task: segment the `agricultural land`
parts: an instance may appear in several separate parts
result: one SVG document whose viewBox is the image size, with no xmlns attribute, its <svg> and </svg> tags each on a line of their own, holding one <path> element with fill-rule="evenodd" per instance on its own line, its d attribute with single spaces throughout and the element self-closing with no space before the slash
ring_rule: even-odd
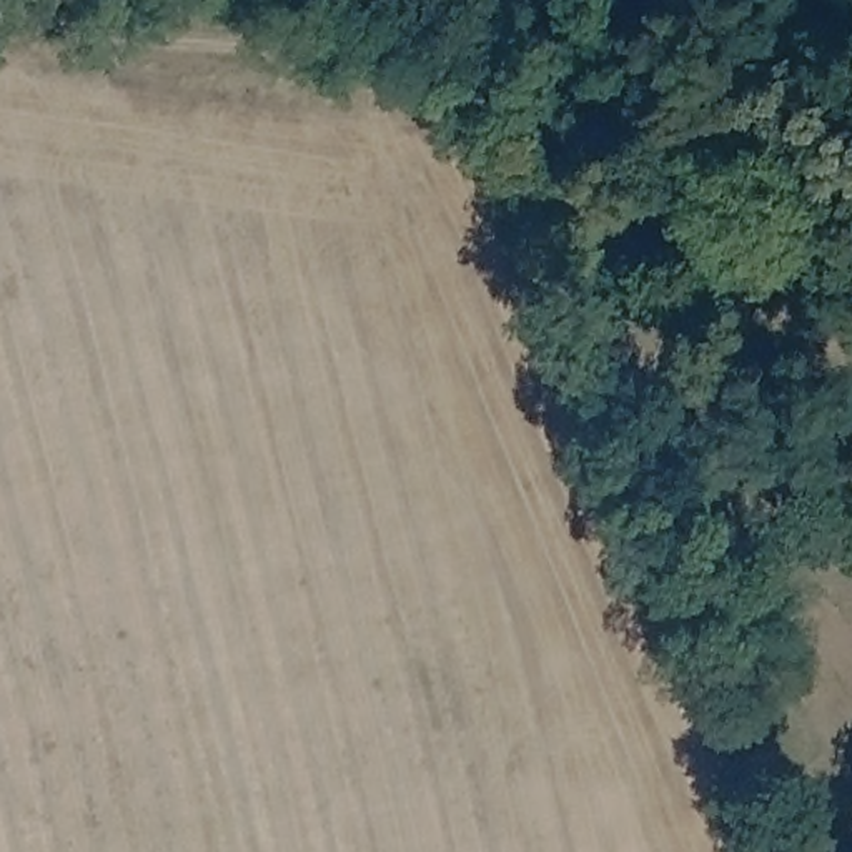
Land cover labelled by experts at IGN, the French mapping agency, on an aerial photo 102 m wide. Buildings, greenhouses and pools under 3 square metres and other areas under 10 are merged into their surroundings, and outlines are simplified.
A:
<svg viewBox="0 0 852 852">
<path fill-rule="evenodd" d="M 659 682 L 659 666 L 652 662 L 652 656 L 662 642 L 659 626 L 649 619 L 649 606 L 632 602 L 632 596 L 612 602 L 599 576 L 602 542 L 586 539 L 589 523 L 582 516 L 582 506 L 569 496 L 569 486 L 552 469 L 556 459 L 566 459 L 566 446 L 572 443 L 572 426 L 579 423 L 579 416 L 559 406 L 559 393 L 542 383 L 536 369 L 519 369 L 526 346 L 509 333 L 513 306 L 523 300 L 526 286 L 523 276 L 516 276 L 513 263 L 516 226 L 506 216 L 493 213 L 486 193 L 473 193 L 473 180 L 463 176 L 459 160 L 433 156 L 426 133 L 403 110 L 339 110 L 336 100 L 326 97 L 316 107 L 316 113 L 303 116 L 303 123 L 280 123 L 270 113 L 236 120 L 220 107 L 200 107 L 190 116 L 163 116 L 156 110 L 136 113 L 126 90 L 110 87 L 107 77 L 60 70 L 43 63 L 3 63 L 0 67 L 0 852 L 716 852 L 716 839 L 706 825 L 706 815 L 699 812 L 709 802 L 712 785 L 726 779 L 719 772 L 722 752 L 709 749 L 699 732 L 689 732 L 689 719 L 679 702 L 672 702 L 669 682 Z"/>
</svg>

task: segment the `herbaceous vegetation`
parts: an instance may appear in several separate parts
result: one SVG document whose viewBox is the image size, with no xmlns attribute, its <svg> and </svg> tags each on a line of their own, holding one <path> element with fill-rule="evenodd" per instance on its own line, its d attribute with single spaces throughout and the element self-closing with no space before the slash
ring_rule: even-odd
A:
<svg viewBox="0 0 852 852">
<path fill-rule="evenodd" d="M 243 63 L 236 57 L 240 37 L 226 27 L 203 23 L 203 17 L 193 17 L 186 33 L 166 43 L 146 43 L 143 53 L 136 53 L 126 63 L 116 63 L 107 77 L 110 87 L 126 90 L 136 113 L 156 110 L 163 116 L 190 116 L 200 107 L 220 107 L 236 120 L 270 113 L 280 123 L 303 123 L 303 116 L 316 113 L 316 107 L 326 97 L 316 87 L 300 87 L 286 77 L 266 77 L 263 70 Z"/>
<path fill-rule="evenodd" d="M 592 100 L 572 110 L 576 123 L 569 126 L 569 133 L 586 146 L 586 153 L 596 163 L 622 156 L 629 143 L 639 140 L 636 126 L 626 123 L 616 100 Z"/>
<path fill-rule="evenodd" d="M 742 67 L 736 67 L 729 87 L 732 103 L 742 103 L 752 93 L 769 93 L 772 67 L 779 67 L 779 57 L 772 53 L 765 60 L 746 60 Z"/>
<path fill-rule="evenodd" d="M 626 260 L 632 266 L 676 263 L 682 256 L 679 243 L 662 236 L 666 230 L 656 220 L 642 220 L 632 223 L 626 233 L 616 233 L 616 240 L 626 250 Z"/>
<path fill-rule="evenodd" d="M 775 366 L 775 359 L 792 359 L 802 349 L 802 323 L 809 316 L 802 310 L 802 283 L 792 280 L 769 300 L 746 303 L 739 310 L 742 349 L 732 353 L 726 363 L 759 369 Z"/>
<path fill-rule="evenodd" d="M 50 40 L 27 43 L 23 50 L 3 50 L 3 63 L 43 63 L 60 70 L 57 47 Z"/>
<path fill-rule="evenodd" d="M 632 339 L 612 339 L 609 363 L 619 363 L 619 369 L 632 373 L 632 383 L 662 386 L 672 369 L 676 343 L 706 343 L 709 323 L 719 320 L 712 290 L 699 290 L 692 293 L 689 306 L 656 306 L 652 316 L 639 316 L 636 326 L 629 326 Z"/>
<path fill-rule="evenodd" d="M 802 606 L 799 626 L 815 642 L 812 692 L 785 709 L 789 726 L 769 726 L 765 742 L 722 752 L 719 772 L 726 779 L 712 785 L 709 802 L 729 802 L 732 789 L 749 775 L 775 775 L 785 782 L 795 775 L 799 765 L 809 775 L 832 775 L 829 809 L 835 852 L 852 852 L 852 576 L 842 576 L 839 566 L 799 566 L 792 572 L 792 586 L 799 589 Z"/>
</svg>

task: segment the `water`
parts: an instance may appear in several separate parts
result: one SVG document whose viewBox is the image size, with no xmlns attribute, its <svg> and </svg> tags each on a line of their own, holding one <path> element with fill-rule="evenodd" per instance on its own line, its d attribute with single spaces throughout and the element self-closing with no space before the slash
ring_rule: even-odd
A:
<svg viewBox="0 0 852 852">
<path fill-rule="evenodd" d="M 799 0 L 809 13 L 822 13 L 829 20 L 852 17 L 852 0 Z"/>
<path fill-rule="evenodd" d="M 649 17 L 692 17 L 702 7 L 702 0 L 612 0 L 609 33 L 622 40 L 636 40 Z"/>
</svg>

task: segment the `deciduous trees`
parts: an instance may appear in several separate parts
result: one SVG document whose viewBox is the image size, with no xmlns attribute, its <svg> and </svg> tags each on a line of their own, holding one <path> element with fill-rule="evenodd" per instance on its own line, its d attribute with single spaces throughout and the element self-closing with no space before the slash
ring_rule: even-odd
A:
<svg viewBox="0 0 852 852">
<path fill-rule="evenodd" d="M 809 775 L 799 765 L 795 775 L 785 782 L 775 775 L 749 775 L 732 789 L 729 802 L 709 802 L 699 812 L 706 815 L 706 825 L 716 839 L 716 852 L 835 852 L 829 809 L 832 775 Z"/>
<path fill-rule="evenodd" d="M 556 459 L 552 469 L 569 486 L 569 496 L 582 506 L 582 516 L 589 523 L 586 539 L 602 542 L 599 576 L 612 602 L 632 596 L 632 602 L 649 606 L 649 619 L 659 626 L 662 642 L 652 656 L 652 662 L 659 666 L 659 682 L 669 682 L 672 702 L 679 702 L 689 719 L 689 732 L 699 732 L 709 749 L 722 752 L 765 742 L 769 726 L 789 726 L 785 709 L 812 692 L 815 642 L 799 626 L 802 606 L 799 589 L 792 586 L 792 572 L 799 566 L 839 566 L 842 576 L 852 576 L 852 17 L 829 20 L 822 13 L 809 13 L 799 0 L 702 0 L 702 7 L 692 17 L 649 17 L 636 40 L 622 40 L 609 33 L 612 0 L 0 0 L 0 67 L 3 63 L 3 50 L 23 50 L 27 43 L 50 40 L 57 47 L 60 70 L 107 77 L 116 63 L 126 63 L 136 53 L 143 53 L 146 43 L 166 43 L 186 33 L 193 17 L 203 17 L 203 23 L 226 27 L 240 37 L 236 57 L 243 63 L 263 70 L 266 77 L 286 77 L 300 87 L 316 87 L 326 97 L 336 100 L 339 110 L 403 110 L 426 133 L 433 156 L 459 160 L 463 176 L 473 180 L 473 193 L 486 193 L 493 213 L 506 216 L 516 226 L 513 263 L 516 276 L 523 276 L 526 286 L 523 300 L 513 306 L 509 333 L 526 346 L 519 369 L 536 369 L 542 383 L 559 393 L 559 406 L 579 416 L 579 423 L 572 426 L 572 443 L 566 446 L 566 459 Z M 742 103 L 732 103 L 729 87 L 736 67 L 742 67 L 746 60 L 765 60 L 772 53 L 779 57 L 779 67 L 772 67 L 769 93 L 752 93 Z M 629 143 L 622 156 L 596 163 L 586 153 L 586 146 L 569 133 L 569 126 L 576 123 L 572 110 L 592 100 L 616 100 L 626 123 L 636 126 L 639 140 Z M 662 236 L 679 243 L 682 256 L 676 263 L 632 266 L 626 260 L 626 250 L 616 240 L 616 233 L 626 233 L 632 223 L 642 220 L 656 220 L 666 230 Z M 792 280 L 802 283 L 802 310 L 809 316 L 802 323 L 802 349 L 792 359 L 775 359 L 775 366 L 759 369 L 726 363 L 732 353 L 742 349 L 739 310 L 746 303 L 769 300 Z M 656 306 L 689 306 L 692 293 L 699 290 L 712 290 L 719 320 L 709 323 L 706 343 L 676 343 L 672 369 L 662 386 L 632 383 L 632 373 L 619 369 L 619 363 L 609 363 L 612 339 L 632 339 L 629 326 L 636 326 L 639 316 L 652 316 Z"/>
</svg>

